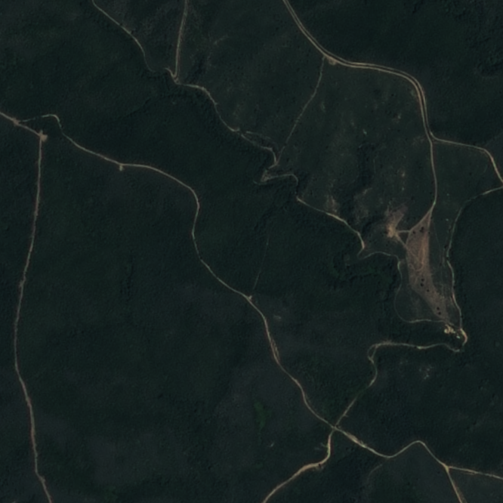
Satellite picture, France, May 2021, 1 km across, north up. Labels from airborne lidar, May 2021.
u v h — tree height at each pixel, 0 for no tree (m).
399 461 0
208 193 6
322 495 7
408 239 0
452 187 0
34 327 6
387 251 0
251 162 10
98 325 8
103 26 8
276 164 0
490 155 0
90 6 7
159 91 7
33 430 0
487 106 5
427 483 0
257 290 5
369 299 8
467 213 6
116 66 6
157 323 8
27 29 5
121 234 5
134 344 5
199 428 13
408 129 0
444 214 0
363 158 10
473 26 8
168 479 6
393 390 5
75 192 6
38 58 6
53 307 7
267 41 0
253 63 0
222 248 6
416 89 0
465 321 12
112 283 5
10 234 5
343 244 7
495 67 9
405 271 0
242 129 7
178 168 6
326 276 9
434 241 0
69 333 6
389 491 6
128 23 0
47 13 7
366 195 0
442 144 0
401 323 8
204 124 8
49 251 7
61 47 6
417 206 0
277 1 0
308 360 6
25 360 7
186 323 5
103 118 7
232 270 7
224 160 6
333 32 5
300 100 0
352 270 7
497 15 7
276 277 7
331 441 0
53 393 5
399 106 0
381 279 6
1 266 6
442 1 7
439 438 5
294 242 6
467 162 0
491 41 6
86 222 6
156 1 7
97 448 0
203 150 6
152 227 8
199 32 5
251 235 6
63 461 6
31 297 7
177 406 6
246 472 7
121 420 6
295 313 6
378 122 0
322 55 0
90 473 5
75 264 7
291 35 0
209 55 6
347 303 7
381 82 0
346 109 0
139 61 8
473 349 7
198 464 6
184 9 0
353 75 0
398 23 6
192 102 8
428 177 0
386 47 5
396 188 0
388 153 0
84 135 6
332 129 0
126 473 0
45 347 8
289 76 0
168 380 6
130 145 6
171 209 5
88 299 6
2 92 6
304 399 0
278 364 0
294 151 0
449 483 0
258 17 0
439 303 0
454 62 5
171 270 5
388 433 6
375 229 0
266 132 0
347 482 6
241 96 0
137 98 7
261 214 7
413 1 8
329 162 0
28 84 6
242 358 6
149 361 6
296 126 0
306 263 7
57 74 6
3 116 0
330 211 0
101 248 5
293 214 8
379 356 6
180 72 0
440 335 7
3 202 6
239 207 6
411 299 0
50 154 7
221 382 5
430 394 6
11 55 6
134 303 6
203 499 6
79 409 6
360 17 6
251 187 8
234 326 6
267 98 0
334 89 0
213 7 6
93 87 5
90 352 7
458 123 6
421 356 6
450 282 0
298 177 9
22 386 0
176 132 6
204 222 6
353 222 8
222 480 7
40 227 5
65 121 6
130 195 6
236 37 0
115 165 0
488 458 6
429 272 0
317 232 7
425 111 0
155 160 5
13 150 7
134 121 8
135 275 7
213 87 0
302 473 0
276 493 0
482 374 5
